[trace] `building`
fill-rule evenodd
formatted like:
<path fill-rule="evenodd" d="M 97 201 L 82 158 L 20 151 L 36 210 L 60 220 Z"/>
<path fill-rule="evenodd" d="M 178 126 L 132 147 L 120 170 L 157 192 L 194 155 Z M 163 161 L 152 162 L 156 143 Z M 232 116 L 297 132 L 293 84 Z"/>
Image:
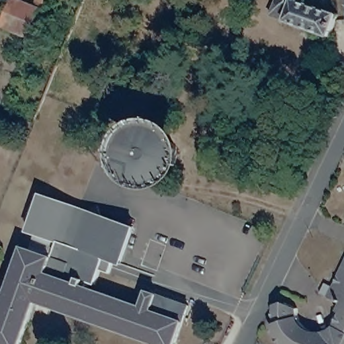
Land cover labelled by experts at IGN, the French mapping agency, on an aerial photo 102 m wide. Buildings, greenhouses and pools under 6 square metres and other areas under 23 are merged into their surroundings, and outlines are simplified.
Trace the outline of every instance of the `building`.
<path fill-rule="evenodd" d="M 43 0 L 0 0 L 0 28 L 9 34 L 23 36 L 24 21 L 31 23 L 36 8 L 39 8 Z"/>
<path fill-rule="evenodd" d="M 34 193 L 24 219 L 26 227 L 21 230 L 23 234 L 31 236 L 32 242 L 27 249 L 15 246 L 0 284 L 0 344 L 20 344 L 27 324 L 35 312 L 56 313 L 63 317 L 70 314 L 149 344 L 177 344 L 183 325 L 185 327 L 192 322 L 192 318 L 187 318 L 187 314 L 192 308 L 146 290 L 140 290 L 137 296 L 136 302 L 128 302 L 86 288 L 86 285 L 93 285 L 97 281 L 99 270 L 106 270 L 107 274 L 112 271 L 113 262 L 124 259 L 126 249 L 132 249 L 128 242 L 134 228 L 78 206 L 42 193 Z"/>
<path fill-rule="evenodd" d="M 305 27 L 306 30 L 322 34 L 324 38 L 327 38 L 332 30 L 337 17 L 344 17 L 344 0 L 335 0 L 337 11 L 332 13 L 327 9 L 298 3 L 296 0 L 267 0 L 266 8 L 270 16 Z"/>
<path fill-rule="evenodd" d="M 259 339 L 259 344 L 344 344 L 344 258 L 337 270 L 336 278 L 329 277 L 332 284 L 328 285 L 329 293 L 333 300 L 337 300 L 337 304 L 335 317 L 325 331 L 305 331 L 297 324 L 297 308 L 275 302 L 271 304 L 270 313 L 265 312 L 265 318 L 258 324 L 258 328 L 266 329 L 265 335 Z"/>
<path fill-rule="evenodd" d="M 179 160 L 179 148 L 175 142 L 168 141 L 167 136 L 161 128 L 155 122 L 141 117 L 125 118 L 109 125 L 97 152 L 99 167 L 107 179 L 114 177 L 118 183 L 125 184 L 126 187 L 145 188 L 148 185 L 161 179 L 161 176 Z"/>

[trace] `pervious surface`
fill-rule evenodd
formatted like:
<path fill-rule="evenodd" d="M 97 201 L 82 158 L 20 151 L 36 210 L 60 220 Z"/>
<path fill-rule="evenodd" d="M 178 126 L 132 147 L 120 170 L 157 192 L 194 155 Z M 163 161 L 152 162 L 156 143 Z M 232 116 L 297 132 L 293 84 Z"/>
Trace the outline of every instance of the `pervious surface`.
<path fill-rule="evenodd" d="M 241 320 L 239 320 L 239 317 L 236 316 L 234 312 L 228 312 L 228 316 L 231 316 L 232 320 L 234 320 L 234 325 L 232 325 L 232 328 L 230 329 L 230 332 L 228 332 L 226 339 L 224 339 L 223 344 L 232 344 L 234 343 L 235 337 L 238 336 L 239 329 L 241 329 L 242 325 Z"/>
<path fill-rule="evenodd" d="M 337 17 L 332 30 L 336 31 L 339 59 L 344 62 L 344 17 Z"/>

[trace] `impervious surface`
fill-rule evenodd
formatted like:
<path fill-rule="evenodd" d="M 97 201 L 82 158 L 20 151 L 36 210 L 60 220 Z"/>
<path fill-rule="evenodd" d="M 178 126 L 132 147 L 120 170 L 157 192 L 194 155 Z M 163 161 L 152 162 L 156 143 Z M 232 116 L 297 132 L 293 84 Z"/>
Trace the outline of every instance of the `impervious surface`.
<path fill-rule="evenodd" d="M 337 114 L 328 130 L 329 140 L 325 144 L 327 153 L 309 172 L 306 172 L 308 183 L 296 200 L 281 231 L 275 242 L 253 293 L 246 293 L 246 286 L 261 259 L 258 257 L 261 250 L 259 243 L 250 231 L 251 227 L 247 222 L 249 218 L 245 216 L 241 216 L 241 219 L 236 218 L 232 211 L 204 202 L 193 193 L 179 195 L 173 199 L 160 198 L 155 191 L 150 191 L 148 185 L 145 188 L 126 187 L 125 184 L 118 183 L 114 177 L 107 179 L 99 167 L 95 167 L 78 206 L 134 228 L 128 242 L 132 249 L 126 249 L 124 259 L 113 262 L 112 271 L 107 274 L 106 279 L 132 288 L 132 292 L 137 296 L 140 290 L 146 290 L 192 308 L 193 304 L 200 300 L 206 302 L 208 308 L 216 305 L 228 312 L 234 312 L 236 316 L 239 317 L 239 320 L 241 320 L 242 325 L 241 329 L 239 329 L 238 336 L 235 337 L 234 343 L 232 344 L 259 344 L 259 339 L 265 335 L 266 329 L 258 328 L 258 324 L 265 318 L 265 312 L 270 313 L 271 304 L 275 302 L 297 308 L 297 324 L 305 331 L 325 331 L 335 317 L 337 304 L 337 300 L 333 300 L 329 293 L 328 285 L 324 284 L 322 279 L 320 284 L 313 284 L 310 277 L 298 266 L 294 253 L 305 231 L 313 228 L 331 236 L 332 239 L 339 239 L 344 247 L 344 228 L 336 226 L 336 223 L 335 220 L 322 215 L 320 199 L 332 173 L 340 167 L 344 157 L 344 109 Z"/>

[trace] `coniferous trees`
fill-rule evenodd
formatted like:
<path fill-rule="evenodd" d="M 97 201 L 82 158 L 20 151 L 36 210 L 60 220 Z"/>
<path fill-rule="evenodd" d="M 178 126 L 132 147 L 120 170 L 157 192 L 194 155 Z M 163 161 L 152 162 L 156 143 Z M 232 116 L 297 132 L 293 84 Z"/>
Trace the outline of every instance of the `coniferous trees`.
<path fill-rule="evenodd" d="M 206 102 L 202 112 L 195 117 L 195 126 L 212 120 L 212 114 L 218 112 L 224 112 L 230 117 L 239 117 L 242 107 L 245 107 L 243 101 L 253 101 L 254 89 L 266 74 L 269 64 L 266 62 L 259 62 L 255 70 L 246 66 L 251 39 L 246 36 L 235 39 L 231 44 L 234 59 L 231 63 L 224 62 L 223 55 L 216 46 L 211 47 L 208 54 L 198 54 L 196 60 L 188 58 L 183 67 L 179 67 L 180 56 L 175 51 L 168 55 L 167 60 L 150 55 L 148 67 L 159 73 L 153 79 L 152 85 L 146 86 L 142 91 L 164 95 L 167 98 L 177 99 L 185 90 L 184 77 L 189 67 L 196 69 L 199 83 L 198 90 L 188 93 L 188 98 L 202 97 Z"/>

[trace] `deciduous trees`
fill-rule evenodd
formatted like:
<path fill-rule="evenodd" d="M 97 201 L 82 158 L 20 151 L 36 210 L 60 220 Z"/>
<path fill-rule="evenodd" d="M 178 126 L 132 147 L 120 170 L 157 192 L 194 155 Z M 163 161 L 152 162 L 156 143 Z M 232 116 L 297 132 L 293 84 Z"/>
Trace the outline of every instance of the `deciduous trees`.
<path fill-rule="evenodd" d="M 75 331 L 64 339 L 36 339 L 36 344 L 97 344 L 98 337 L 87 328 L 83 332 Z"/>
<path fill-rule="evenodd" d="M 137 38 L 140 40 L 145 38 L 148 31 L 148 13 L 141 11 L 138 4 L 140 1 L 150 4 L 152 0 L 101 0 L 102 7 L 113 8 L 110 13 L 112 26 L 109 32 L 124 36 L 137 31 Z"/>
<path fill-rule="evenodd" d="M 211 126 L 215 136 L 200 137 L 199 141 L 195 142 L 196 169 L 199 175 L 206 177 L 204 183 L 220 180 L 222 183 L 235 184 L 241 192 L 254 192 L 258 196 L 277 193 L 281 198 L 296 200 L 308 183 L 306 172 L 309 172 L 327 153 L 325 144 L 329 140 L 328 130 L 337 114 L 344 109 L 344 62 L 339 59 L 336 31 L 332 30 L 327 38 L 324 38 L 310 40 L 308 51 L 305 52 L 300 64 L 302 69 L 309 70 L 301 81 L 301 87 L 277 79 L 274 75 L 270 78 L 266 74 L 254 89 L 253 101 L 243 101 L 245 107 L 242 107 L 239 117 L 230 117 L 224 112 L 218 112 L 212 114 L 212 120 L 216 121 L 215 125 Z"/>
<path fill-rule="evenodd" d="M 160 198 L 173 199 L 179 195 L 177 193 L 180 189 L 179 183 L 183 183 L 184 167 L 179 160 L 161 176 L 161 179 L 148 185 L 150 191 L 155 191 Z"/>
<path fill-rule="evenodd" d="M 298 3 L 327 9 L 332 13 L 337 11 L 335 0 L 296 0 Z"/>
<path fill-rule="evenodd" d="M 192 322 L 193 335 L 203 340 L 210 340 L 222 325 L 216 317 L 212 321 Z"/>
<path fill-rule="evenodd" d="M 9 77 L 8 85 L 0 86 L 0 148 L 19 150 L 26 146 L 30 132 L 24 128 L 27 128 L 28 122 L 34 121 L 34 114 L 40 99 L 43 98 L 48 78 L 58 63 L 60 50 L 69 47 L 67 32 L 73 26 L 75 13 L 82 0 L 43 0 L 39 8 L 36 8 L 31 23 L 24 21 L 23 36 L 9 34 L 0 28 L 0 63 L 3 60 L 15 63 L 15 70 Z"/>
<path fill-rule="evenodd" d="M 281 231 L 274 226 L 274 222 L 261 222 L 251 227 L 250 231 L 259 243 L 263 245 L 275 242 Z"/>
<path fill-rule="evenodd" d="M 81 155 L 97 152 L 109 125 L 99 120 L 97 112 L 91 110 L 78 124 L 70 125 L 69 130 L 63 133 L 62 140 L 67 148 L 77 149 Z"/>
<path fill-rule="evenodd" d="M 212 27 L 219 26 L 239 34 L 241 28 L 245 30 L 246 27 L 254 27 L 257 21 L 251 19 L 251 15 L 257 15 L 259 12 L 257 0 L 160 0 L 160 4 L 167 4 L 168 9 L 175 9 L 175 27 L 165 36 L 157 50 L 137 51 L 132 58 L 114 55 L 112 59 L 101 59 L 97 66 L 91 67 L 86 73 L 83 71 L 82 60 L 71 56 L 70 67 L 75 82 L 86 86 L 91 98 L 101 98 L 109 85 L 142 91 L 146 86 L 152 85 L 153 79 L 159 73 L 148 67 L 150 55 L 167 60 L 168 55 L 175 51 L 180 56 L 179 67 L 183 67 L 188 58 L 185 48 L 198 47 L 200 40 Z"/>
<path fill-rule="evenodd" d="M 161 128 L 167 136 L 175 133 L 180 125 L 184 124 L 185 113 L 195 117 L 202 112 L 206 102 L 202 97 L 188 98 L 183 103 L 177 99 L 167 98 L 168 109 Z"/>

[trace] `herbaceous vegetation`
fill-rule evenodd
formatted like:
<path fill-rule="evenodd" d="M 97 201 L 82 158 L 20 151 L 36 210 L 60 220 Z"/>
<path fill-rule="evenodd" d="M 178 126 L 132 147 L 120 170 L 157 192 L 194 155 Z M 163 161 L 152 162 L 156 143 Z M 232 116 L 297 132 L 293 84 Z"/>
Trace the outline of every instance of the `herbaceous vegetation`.
<path fill-rule="evenodd" d="M 232 320 L 231 316 L 228 316 L 228 312 L 216 305 L 208 308 L 206 302 L 200 300 L 193 304 L 192 308 L 187 314 L 187 318 L 192 318 L 192 322 L 212 321 L 216 317 L 222 325 L 210 340 L 203 340 L 193 335 L 192 322 L 185 327 L 183 325 L 177 344 L 223 344 L 224 339 L 226 339 L 228 332 L 230 332 L 230 329 L 232 328 L 232 325 L 234 325 L 234 320 Z"/>
<path fill-rule="evenodd" d="M 32 242 L 31 236 L 23 234 L 21 230 L 26 227 L 24 219 L 34 193 L 42 193 L 78 206 L 95 167 L 99 167 L 97 152 L 81 155 L 77 149 L 67 148 L 62 140 L 63 133 L 69 130 L 70 125 L 78 124 L 91 110 L 97 112 L 99 120 L 109 125 L 125 118 L 141 117 L 155 122 L 161 128 L 168 109 L 167 98 L 164 95 L 142 91 L 109 85 L 101 98 L 91 98 L 86 86 L 75 82 L 70 67 L 71 56 L 82 60 L 83 71 L 86 73 L 91 67 L 97 66 L 101 59 L 112 59 L 114 55 L 132 58 L 137 51 L 157 50 L 165 36 L 175 27 L 175 9 L 168 9 L 167 4 L 160 4 L 160 0 L 152 0 L 150 4 L 140 1 L 138 4 L 141 11 L 148 13 L 148 31 L 145 38 L 140 40 L 137 38 L 137 31 L 124 36 L 109 32 L 112 26 L 110 13 L 113 8 L 102 7 L 101 0 L 82 0 L 75 13 L 73 26 L 67 32 L 69 47 L 60 50 L 58 63 L 48 78 L 43 98 L 40 99 L 34 114 L 34 121 L 28 122 L 27 128 L 24 128 L 30 132 L 26 146 L 19 150 L 0 148 L 0 284 L 15 246 L 27 249 Z"/>
<path fill-rule="evenodd" d="M 257 21 L 254 27 L 246 27 L 245 30 L 241 28 L 239 34 L 219 26 L 212 27 L 200 40 L 198 47 L 185 48 L 188 58 L 196 60 L 198 54 L 208 54 L 211 47 L 216 46 L 223 55 L 224 62 L 231 63 L 234 59 L 231 44 L 235 39 L 246 36 L 251 39 L 246 66 L 255 70 L 259 62 L 266 62 L 269 64 L 266 74 L 270 78 L 274 75 L 277 79 L 301 87 L 301 81 L 309 70 L 302 69 L 300 64 L 305 52 L 308 51 L 310 40 L 324 38 L 322 34 L 306 30 L 305 27 L 270 16 L 266 8 L 267 0 L 257 0 L 259 12 L 257 15 L 251 15 L 251 19 Z"/>
<path fill-rule="evenodd" d="M 261 259 L 246 286 L 246 293 L 253 293 L 275 242 L 263 245 L 259 243 L 261 250 L 258 257 Z"/>
<path fill-rule="evenodd" d="M 136 302 L 137 296 L 132 292 L 132 288 L 106 279 L 107 274 L 106 270 L 99 270 L 97 281 L 93 285 L 86 285 L 86 288 L 128 302 Z"/>
<path fill-rule="evenodd" d="M 340 216 L 341 222 L 336 223 L 336 226 L 344 228 L 344 157 L 340 167 L 336 187 L 332 189 L 325 203 L 329 214 Z"/>
<path fill-rule="evenodd" d="M 0 86 L 8 85 L 9 77 L 15 70 L 15 63 L 3 60 L 0 63 Z"/>
<path fill-rule="evenodd" d="M 298 266 L 310 277 L 313 284 L 320 284 L 322 279 L 324 284 L 328 285 L 332 284 L 329 277 L 336 278 L 337 270 L 344 258 L 344 247 L 339 239 L 332 239 L 331 236 L 313 228 L 305 231 L 294 253 Z"/>
<path fill-rule="evenodd" d="M 196 169 L 195 142 L 199 141 L 200 137 L 215 136 L 211 126 L 215 125 L 216 121 L 212 120 L 195 126 L 195 117 L 185 113 L 184 124 L 180 125 L 175 133 L 167 136 L 168 141 L 175 142 L 179 148 L 179 160 L 184 167 L 183 183 L 179 183 L 180 189 L 177 193 L 179 195 L 193 193 L 204 202 L 232 211 L 236 218 L 241 219 L 241 216 L 245 216 L 249 218 L 247 222 L 251 227 L 261 222 L 274 222 L 274 226 L 281 231 L 296 200 L 281 198 L 277 193 L 258 196 L 254 192 L 241 192 L 235 184 L 222 183 L 220 180 L 204 183 L 206 177 L 199 175 Z"/>
<path fill-rule="evenodd" d="M 56 313 L 35 312 L 27 324 L 20 344 L 36 344 L 36 339 L 64 339 L 75 331 L 83 332 L 87 328 L 98 337 L 97 344 L 149 344 L 70 314 L 63 317 Z"/>
<path fill-rule="evenodd" d="M 184 77 L 185 90 L 177 99 L 183 103 L 188 98 L 188 93 L 198 90 L 199 83 L 196 69 L 189 67 Z"/>

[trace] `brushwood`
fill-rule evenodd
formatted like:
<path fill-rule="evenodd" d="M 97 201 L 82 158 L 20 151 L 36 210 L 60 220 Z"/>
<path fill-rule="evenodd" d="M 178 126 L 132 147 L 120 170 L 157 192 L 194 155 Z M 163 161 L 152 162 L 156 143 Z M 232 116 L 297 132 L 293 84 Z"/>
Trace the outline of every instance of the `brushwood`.
<path fill-rule="evenodd" d="M 340 167 L 332 173 L 320 199 L 322 215 L 335 220 L 336 223 L 341 222 L 340 216 L 329 214 L 325 203 L 332 189 L 336 187 Z"/>

